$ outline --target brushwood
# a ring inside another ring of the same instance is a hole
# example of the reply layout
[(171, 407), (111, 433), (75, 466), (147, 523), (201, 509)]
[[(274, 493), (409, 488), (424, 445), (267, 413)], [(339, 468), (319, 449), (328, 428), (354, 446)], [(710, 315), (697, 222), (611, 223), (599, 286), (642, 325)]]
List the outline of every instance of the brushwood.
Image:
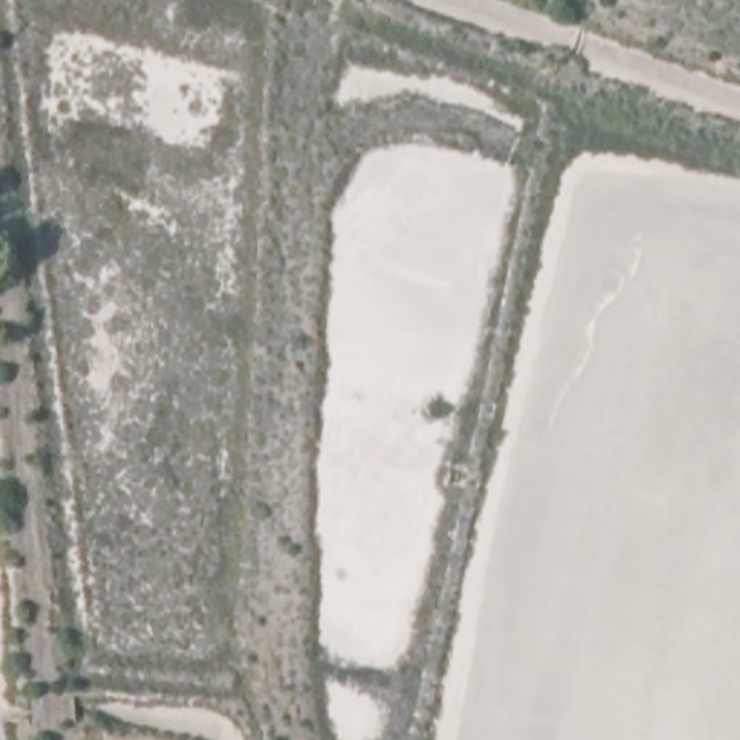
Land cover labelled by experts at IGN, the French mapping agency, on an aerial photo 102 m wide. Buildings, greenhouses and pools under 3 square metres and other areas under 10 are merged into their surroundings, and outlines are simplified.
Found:
[[(182, 0), (14, 0), (17, 26), (12, 29), (12, 66), (23, 66), (26, 90), (40, 93), (43, 81), (49, 78), (49, 46), (58, 32), (98, 35), (116, 43), (153, 49), (179, 61), (197, 61), (214, 69), (237, 69), (246, 78), (246, 87), (240, 93), (223, 95), (220, 121), (211, 127), (211, 139), (202, 147), (168, 145), (145, 124), (139, 124), (127, 127), (130, 133), (124, 139), (113, 139), (113, 145), (119, 145), (124, 153), (142, 150), (147, 156), (147, 165), (159, 165), (165, 173), (179, 176), (188, 188), (211, 176), (228, 176), (225, 153), (234, 142), (237, 124), (246, 124), (246, 173), (234, 191), (234, 202), (243, 208), (243, 214), (237, 217), (243, 240), (234, 249), (237, 295), (223, 295), (220, 312), (205, 309), (205, 301), (211, 301), (217, 289), (217, 272), (211, 266), (188, 269), (185, 246), (176, 243), (165, 228), (147, 225), (145, 211), (127, 208), (136, 199), (130, 191), (124, 191), (121, 185), (87, 185), (84, 179), (78, 179), (72, 153), (58, 150), (61, 133), (49, 133), (52, 159), (35, 156), (29, 171), (35, 173), (38, 197), (38, 202), (29, 202), (29, 223), (61, 225), (66, 214), (75, 214), (78, 228), (93, 231), (93, 237), (84, 240), (78, 249), (61, 234), (55, 257), (40, 260), (35, 280), (14, 289), (26, 304), (40, 301), (43, 321), (52, 318), (64, 410), (87, 405), (87, 393), (93, 390), (87, 356), (93, 347), (93, 321), (84, 321), (78, 312), (78, 298), (87, 286), (75, 283), (72, 272), (90, 275), (107, 263), (116, 263), (119, 272), (127, 280), (142, 283), (142, 289), (156, 286), (159, 269), (171, 272), (171, 298), (153, 301), (159, 309), (165, 309), (168, 327), (159, 332), (156, 341), (133, 344), (133, 353), (165, 358), (165, 367), (153, 364), (159, 402), (171, 408), (168, 436), (159, 445), (165, 457), (162, 463), (176, 468), (176, 491), (185, 491), (191, 509), (188, 515), (211, 520), (205, 541), (188, 558), (191, 572), (173, 567), (173, 587), (199, 584), (205, 590), (208, 607), (214, 607), (223, 621), (234, 616), (228, 587), (240, 578), (243, 486), (246, 480), (260, 480), (260, 471), (246, 468), (246, 439), (257, 436), (257, 442), (266, 445), (266, 428), (272, 425), (278, 399), (272, 393), (249, 390), (251, 347), (234, 347), (231, 335), (214, 332), (211, 318), (234, 312), (243, 315), (251, 330), (251, 344), (260, 344), (269, 356), (286, 361), (286, 353), (278, 350), (272, 341), (275, 327), (283, 324), (286, 315), (280, 295), (283, 266), (295, 257), (318, 260), (318, 272), (312, 275), (312, 332), (295, 335), (295, 347), (315, 347), (315, 373), (304, 393), (304, 538), (295, 541), (283, 535), (278, 541), (283, 552), (306, 564), (301, 616), (304, 650), (309, 662), (304, 688), (312, 700), (312, 714), (304, 720), (309, 740), (338, 740), (327, 711), (327, 682), (356, 685), (387, 708), (387, 720), (379, 740), (436, 740), (442, 685), (460, 624), (465, 569), (474, 555), (477, 520), (486, 503), (497, 445), (503, 442), (503, 419), (509, 387), (515, 379), (515, 358), (535, 278), (541, 269), (543, 234), (552, 217), (564, 171), (581, 153), (619, 153), (674, 162), (688, 171), (740, 176), (740, 139), (717, 136), (717, 130), (711, 127), (691, 130), (685, 119), (674, 116), (674, 107), (679, 101), (659, 98), (648, 87), (621, 81), (616, 90), (598, 93), (590, 93), (578, 84), (552, 87), (517, 64), (500, 64), (486, 55), (460, 52), (448, 46), (442, 38), (399, 26), (382, 14), (361, 14), (347, 3), (341, 6), (338, 20), (330, 20), (332, 0), (243, 0), (263, 9), (263, 35), (246, 38), (243, 49), (228, 49), (223, 46), (223, 35), (228, 32), (223, 26), (188, 29), (176, 17), (165, 17), (165, 6), (179, 6)], [(486, 116), (483, 110), (436, 101), (422, 93), (396, 93), (370, 101), (338, 104), (335, 93), (341, 87), (347, 66), (370, 66), (422, 78), (451, 78), (457, 84), (471, 87), (477, 78), (494, 78), (500, 84), (509, 84), (512, 95), (503, 107), (523, 119), (523, 127), (517, 130)], [(480, 474), (471, 480), (468, 489), (445, 489), (442, 494), (442, 512), (434, 529), (434, 555), (425, 575), (425, 590), (413, 616), (410, 645), (399, 665), (341, 665), (338, 659), (330, 659), (327, 648), (321, 645), (318, 448), (324, 431), (321, 410), (330, 373), (327, 312), (332, 289), (332, 211), (344, 197), (358, 162), (376, 147), (436, 145), (460, 153), (480, 153), (500, 165), (512, 165), (515, 199), (503, 231), (500, 260), (491, 278), (489, 312), (483, 321), (483, 338), (477, 347), (477, 361), (465, 396), (480, 405), (474, 422), (474, 436), (483, 439)]]
[(702, 3), (702, 17), (714, 23), (714, 40), (708, 43), (708, 49), (714, 49), (720, 58), (740, 52), (740, 0), (674, 0), (682, 6)]
[(549, 14), (558, 23), (581, 23), (587, 17), (587, 0), (512, 0), (515, 6)]
[(223, 674), (225, 662), (237, 656), (237, 645), (223, 645), (202, 659), (165, 653), (113, 653), (101, 648), (95, 639), (84, 636), (84, 653), (93, 656), (95, 665), (107, 665), (107, 676), (87, 676), (90, 688), (124, 694), (165, 694), (173, 700), (191, 700), (199, 694), (202, 685), (124, 679), (127, 668), (176, 671), (199, 676)]

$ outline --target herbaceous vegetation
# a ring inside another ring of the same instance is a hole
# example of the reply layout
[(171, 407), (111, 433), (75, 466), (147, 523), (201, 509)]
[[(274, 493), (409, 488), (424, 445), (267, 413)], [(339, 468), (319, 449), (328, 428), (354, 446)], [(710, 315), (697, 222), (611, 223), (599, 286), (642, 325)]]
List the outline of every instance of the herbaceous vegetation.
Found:
[(552, 87), (578, 84), (590, 93), (598, 93), (616, 90), (621, 81), (593, 72), (587, 55), (572, 46), (549, 46), (523, 38), (509, 38), (503, 32), (489, 32), (477, 23), (457, 20), (451, 14), (416, 6), (410, 0), (332, 0), (330, 20), (338, 20), (341, 6), (347, 3), (361, 14), (382, 14), (399, 26), (442, 38), (448, 46), (460, 52), (486, 55), (500, 64), (517, 64)]
[[(304, 688), (309, 662), (304, 650), (301, 616), (306, 564), (283, 552), (278, 541), (283, 535), (295, 541), (304, 538), (304, 393), (315, 373), (315, 347), (295, 347), (295, 335), (312, 332), (312, 275), (318, 272), (318, 260), (295, 257), (283, 266), (280, 295), (286, 315), (283, 324), (275, 327), (272, 341), (278, 350), (286, 353), (286, 361), (269, 356), (260, 344), (251, 344), (251, 330), (243, 315), (234, 312), (211, 318), (214, 332), (231, 335), (234, 347), (251, 347), (249, 390), (272, 393), (278, 399), (272, 425), (266, 428), (266, 445), (257, 442), (257, 436), (246, 439), (246, 468), (260, 471), (260, 480), (246, 480), (243, 486), (240, 578), (228, 587), (234, 616), (223, 621), (214, 607), (208, 607), (205, 590), (199, 584), (173, 587), (173, 567), (191, 572), (188, 558), (205, 541), (211, 520), (188, 515), (191, 509), (185, 491), (176, 491), (176, 468), (162, 463), (165, 457), (159, 445), (168, 436), (171, 408), (159, 402), (153, 364), (165, 367), (165, 358), (133, 353), (133, 344), (156, 341), (159, 332), (168, 327), (165, 309), (159, 309), (153, 301), (171, 298), (171, 272), (159, 269), (156, 286), (142, 289), (142, 283), (127, 280), (119, 272), (107, 280), (104, 289), (107, 298), (116, 304), (116, 315), (107, 321), (107, 332), (121, 356), (121, 367), (110, 379), (107, 390), (93, 390), (87, 393), (87, 405), (64, 410), (52, 318), (43, 321), (40, 301), (26, 304), (14, 289), (35, 280), (40, 260), (55, 257), (61, 234), (78, 249), (84, 240), (93, 237), (93, 231), (78, 228), (75, 214), (66, 214), (61, 225), (29, 223), (29, 202), (38, 202), (38, 197), (35, 173), (29, 171), (35, 156), (52, 159), (49, 133), (46, 110), (40, 107), (40, 93), (26, 90), (23, 66), (12, 66), (12, 29), (17, 26), (14, 0), (0, 0), (0, 740), (208, 740), (202, 734), (121, 720), (104, 711), (107, 702), (127, 702), (136, 708), (205, 708), (231, 720), (243, 740), (309, 740), (304, 720), (312, 714), (312, 700)], [(223, 645), (237, 645), (237, 656), (225, 662), (223, 674), (199, 676), (176, 671), (127, 668), (124, 679), (202, 685), (199, 694), (191, 700), (173, 700), (165, 694), (124, 694), (90, 688), (87, 676), (107, 676), (107, 665), (95, 665), (93, 656), (84, 653), (84, 636), (95, 639), (101, 648), (113, 653), (165, 653), (202, 659)]]
[(246, 124), (237, 124), (234, 142), (225, 153), (228, 176), (211, 176), (188, 188), (179, 176), (165, 173), (159, 165), (147, 165), (147, 156), (142, 150), (124, 153), (119, 145), (113, 145), (113, 139), (124, 139), (130, 133), (127, 127), (139, 124), (136, 113), (142, 107), (133, 101), (133, 93), (145, 90), (147, 81), (142, 64), (121, 61), (113, 52), (98, 52), (93, 55), (93, 95), (116, 95), (121, 107), (121, 121), (110, 124), (98, 113), (81, 110), (81, 119), (64, 124), (61, 133), (58, 150), (72, 153), (78, 179), (84, 179), (87, 185), (121, 185), (124, 191), (130, 191), (136, 199), (127, 208), (145, 211), (147, 225), (165, 228), (176, 243), (185, 246), (188, 269), (211, 266), (217, 272), (217, 289), (211, 301), (205, 301), (205, 309), (220, 312), (223, 295), (237, 295), (234, 249), (243, 240), (237, 217), (243, 214), (243, 208), (234, 202), (234, 191), (246, 173)]
[(717, 130), (717, 136), (740, 139), (740, 121), (723, 113), (694, 110), (691, 104), (679, 101), (674, 107), (674, 116), (685, 119), (691, 130), (711, 127)]
[(477, 78), (471, 87), (503, 107), (512, 95), (509, 84), (500, 84), (494, 78)]
[(243, 0), (182, 0), (179, 6), (165, 6), (165, 17), (176, 17), (188, 29), (223, 26), (228, 32), (223, 35), (223, 46), (228, 49), (243, 49), (246, 38), (263, 35), (263, 9)]
[(587, 17), (581, 23), (587, 32), (598, 38), (616, 40), (627, 49), (650, 52), (665, 64), (676, 64), (691, 72), (705, 72), (714, 81), (740, 87), (740, 52), (720, 58), (714, 49), (708, 49), (708, 43), (714, 40), (714, 23), (702, 17), (702, 3), (682, 6), (674, 0), (587, 0)]
[(463, 402), (434, 399), (428, 405), (434, 419), (448, 416), (457, 422), (457, 434), (448, 442), (436, 468), (436, 491), (442, 494), (445, 489), (468, 489), (471, 480), (480, 474), (483, 439), (474, 436), (474, 422), (480, 405), (465, 396)]

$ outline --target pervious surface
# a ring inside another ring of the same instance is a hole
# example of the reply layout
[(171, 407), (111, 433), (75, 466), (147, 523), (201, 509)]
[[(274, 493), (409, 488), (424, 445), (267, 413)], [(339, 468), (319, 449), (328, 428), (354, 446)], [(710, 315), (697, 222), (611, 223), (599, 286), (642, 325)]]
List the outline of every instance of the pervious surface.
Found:
[(318, 448), (321, 645), (327, 648), (330, 659), (338, 659), (341, 665), (399, 665), (410, 645), (413, 616), (425, 590), (425, 575), (434, 555), (434, 529), (442, 512), (442, 494), (436, 491), (436, 468), (448, 442), (457, 434), (457, 422), (448, 416), (434, 419), (428, 405), (434, 399), (463, 402), (465, 396), (477, 361), (477, 347), (483, 338), (483, 321), (489, 312), (491, 278), (500, 260), (503, 231), (515, 199), (512, 165), (500, 165), (480, 153), (460, 153), (436, 145), (376, 147), (358, 162), (344, 197), (332, 211), (332, 289), (327, 312), (330, 373), (321, 410), (324, 431)]
[(72, 272), (75, 283), (87, 286), (78, 298), (78, 312), (84, 321), (93, 321), (93, 347), (87, 356), (93, 390), (107, 390), (110, 379), (121, 367), (121, 356), (107, 332), (107, 321), (116, 315), (116, 304), (107, 298), (104, 289), (107, 280), (119, 272), (116, 263), (107, 263), (90, 275)]
[(93, 95), (93, 55), (98, 52), (113, 52), (121, 61), (142, 64), (147, 81), (145, 90), (133, 93), (133, 101), (142, 107), (136, 113), (139, 124), (145, 124), (168, 145), (202, 147), (211, 139), (211, 127), (220, 121), (223, 95), (240, 93), (246, 87), (246, 78), (237, 69), (214, 69), (197, 61), (179, 61), (153, 49), (116, 43), (98, 35), (58, 32), (49, 46), (49, 78), (43, 81), (40, 93), (40, 107), (46, 110), (49, 133), (61, 133), (64, 124), (81, 119), (81, 110), (98, 113), (110, 124), (121, 121), (121, 107), (116, 95)]
[(486, 116), (517, 130), (523, 127), (523, 119), (503, 107), (471, 87), (457, 84), (451, 78), (422, 78), (370, 66), (347, 66), (341, 87), (335, 93), (338, 104), (370, 101), (396, 93), (422, 93), (436, 101), (483, 110)]
[(104, 711), (121, 720), (202, 734), (208, 740), (243, 740), (231, 720), (205, 708), (136, 708), (127, 702), (107, 702)]
[(509, 387), (503, 419), (503, 442), (497, 445), (486, 503), (477, 520), (474, 555), (465, 569), (460, 624), (442, 685), (436, 740), (740, 740), (740, 176), (688, 171), (674, 162), (619, 153), (581, 153), (564, 171), (552, 217), (543, 234), (541, 269), (535, 278), (515, 358), (515, 379)]
[(356, 685), (327, 682), (327, 711), (338, 740), (379, 740), (387, 720), (387, 708)]
[(477, 23), (489, 32), (503, 32), (509, 38), (523, 38), (549, 46), (572, 46), (587, 55), (593, 72), (621, 81), (648, 87), (659, 98), (679, 101), (691, 104), (694, 110), (723, 113), (740, 121), (740, 87), (714, 81), (705, 72), (691, 72), (676, 64), (665, 64), (650, 52), (627, 49), (616, 40), (598, 38), (587, 32), (581, 23), (558, 23), (549, 14), (515, 6), (512, 0), (410, 0), (416, 6), (451, 14), (457, 20)]

